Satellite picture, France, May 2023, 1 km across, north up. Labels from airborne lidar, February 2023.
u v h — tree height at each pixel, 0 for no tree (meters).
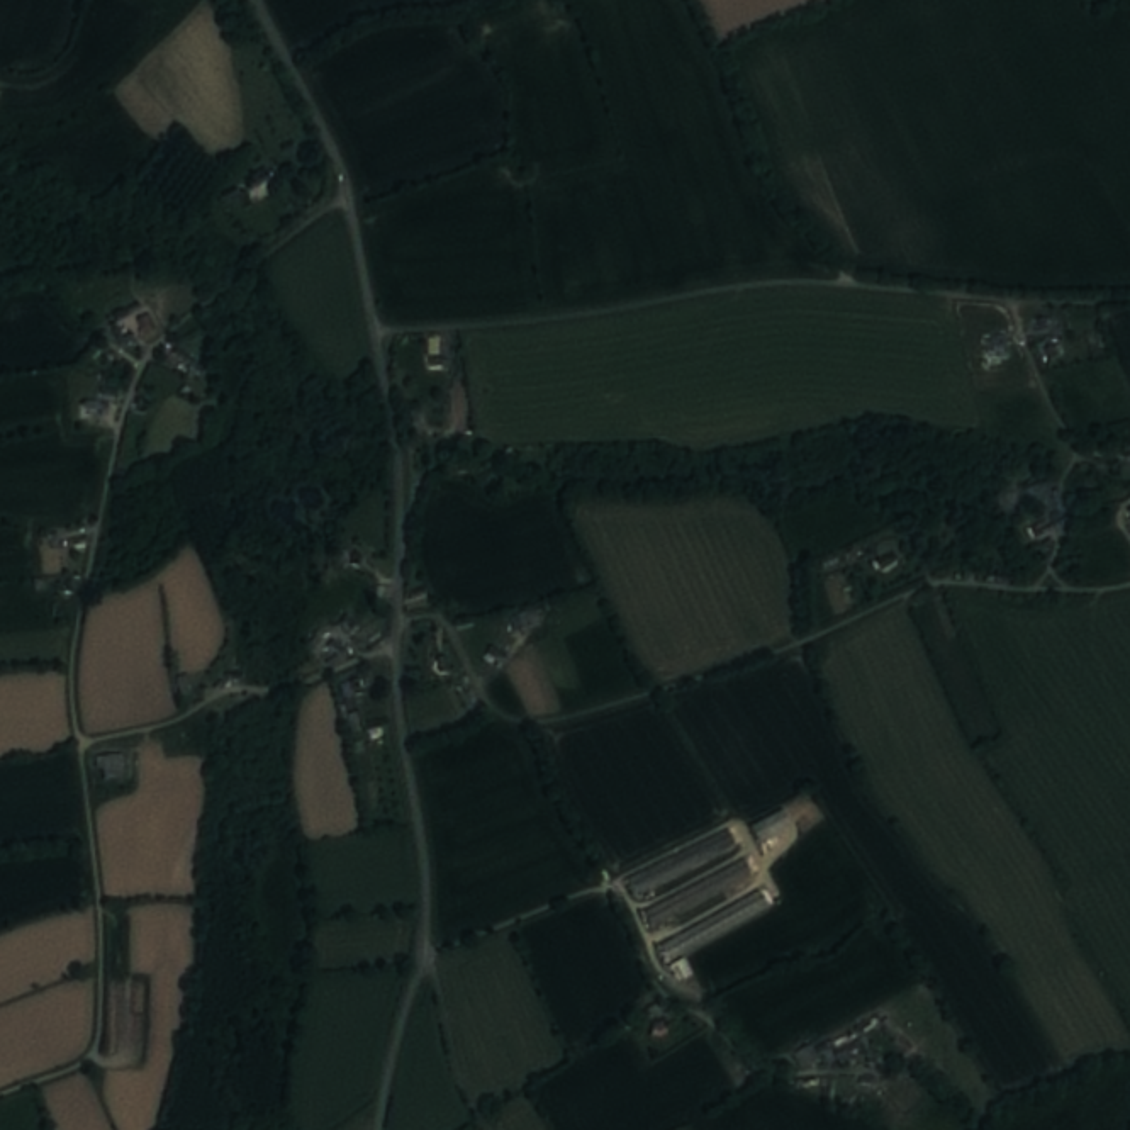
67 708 0
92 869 0
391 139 0
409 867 0
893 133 0
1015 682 0
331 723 0
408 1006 0
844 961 0
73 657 0
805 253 0
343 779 0
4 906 0
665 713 12
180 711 11
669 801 0
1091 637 0
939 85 0
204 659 0
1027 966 0
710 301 0
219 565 10
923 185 0
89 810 0
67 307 9
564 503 14
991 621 0
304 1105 0
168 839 0
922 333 0
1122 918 0
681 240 0
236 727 9
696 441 0
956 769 0
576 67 0
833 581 0
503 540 0
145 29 0
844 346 0
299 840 13
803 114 0
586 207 0
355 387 14
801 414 0
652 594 0
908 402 0
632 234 0
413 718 0
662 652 0
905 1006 0
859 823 0
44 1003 0
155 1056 0
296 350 8
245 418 9
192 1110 13
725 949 0
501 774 0
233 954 11
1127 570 0
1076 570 11
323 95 0
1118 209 0
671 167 0
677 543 0
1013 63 0
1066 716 0
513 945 13
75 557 13
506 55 0
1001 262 0
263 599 11
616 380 0
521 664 0
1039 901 0
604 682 0
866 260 0
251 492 14
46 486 0
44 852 14
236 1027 16
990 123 0
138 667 0
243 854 13
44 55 0
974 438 8
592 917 0
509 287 0
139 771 0
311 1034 0
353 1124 0
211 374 14
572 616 0
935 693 0
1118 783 0
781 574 0
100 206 11
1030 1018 0
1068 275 0
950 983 0
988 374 0
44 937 0
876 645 0
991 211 0
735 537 0
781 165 0
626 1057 0
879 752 0
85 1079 13
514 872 0
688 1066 0
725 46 9
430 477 9
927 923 0
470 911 0
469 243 0
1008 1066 0
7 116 0
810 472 7
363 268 0
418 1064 0
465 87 0
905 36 0
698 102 0
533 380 0
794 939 0
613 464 7
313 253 0
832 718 12
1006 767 0
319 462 19
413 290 0
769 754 0
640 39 0
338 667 0
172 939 0
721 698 0
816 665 11
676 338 0
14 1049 0
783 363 0
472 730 14
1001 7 0
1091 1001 0
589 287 0
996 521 19
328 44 13
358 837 8
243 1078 13
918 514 19
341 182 0
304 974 23
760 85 0
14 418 0
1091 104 0
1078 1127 0
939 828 0
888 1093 0
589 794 0
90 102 0
